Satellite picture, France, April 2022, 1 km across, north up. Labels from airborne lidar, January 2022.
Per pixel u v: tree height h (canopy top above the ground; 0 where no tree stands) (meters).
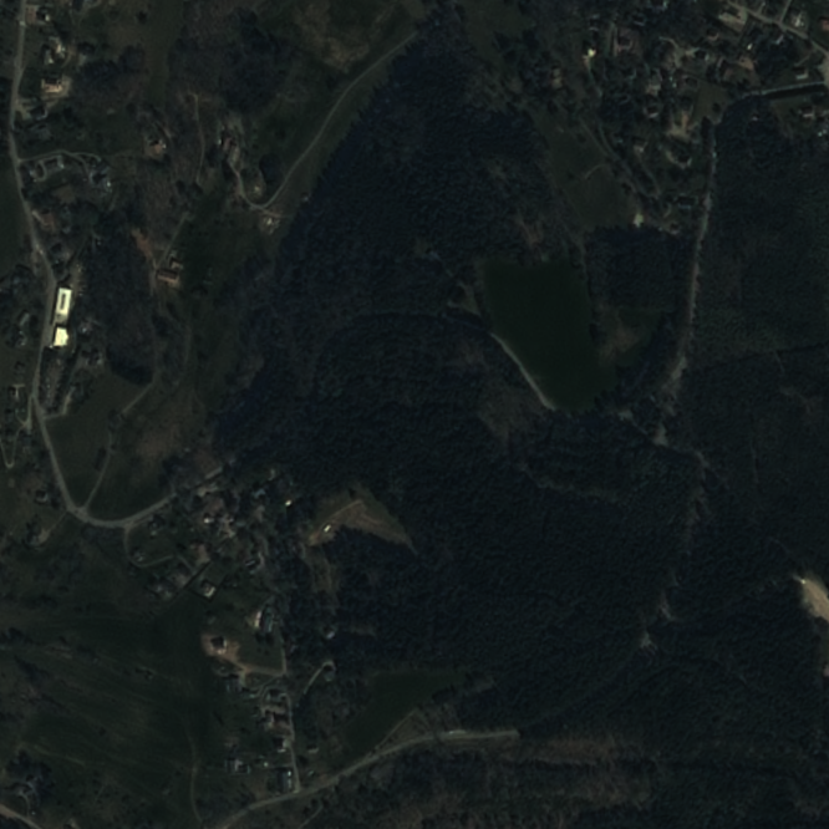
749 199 13
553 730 21
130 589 0
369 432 26
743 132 19
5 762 0
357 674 18
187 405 0
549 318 0
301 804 0
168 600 0
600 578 24
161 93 0
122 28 0
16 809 0
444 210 20
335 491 14
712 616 19
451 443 23
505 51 20
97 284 26
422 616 28
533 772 15
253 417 31
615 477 24
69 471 0
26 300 9
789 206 15
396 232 21
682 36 12
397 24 0
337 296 23
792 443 16
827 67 0
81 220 18
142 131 13
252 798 6
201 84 22
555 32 15
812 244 16
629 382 20
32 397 0
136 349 28
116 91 20
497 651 24
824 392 12
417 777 13
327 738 15
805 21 0
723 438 15
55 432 0
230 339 0
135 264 31
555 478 24
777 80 8
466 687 6
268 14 8
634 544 25
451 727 15
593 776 20
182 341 25
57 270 17
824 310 16
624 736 17
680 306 24
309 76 0
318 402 23
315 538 0
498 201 17
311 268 25
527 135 23
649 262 25
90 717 0
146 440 0
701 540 24
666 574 25
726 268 15
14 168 0
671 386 19
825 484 13
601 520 23
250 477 17
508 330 0
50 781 20
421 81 26
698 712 15
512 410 20
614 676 20
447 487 27
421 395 29
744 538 26
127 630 0
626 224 0
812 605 0
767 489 14
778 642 25
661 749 18
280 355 25
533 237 10
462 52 25
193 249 0
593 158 0
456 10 21
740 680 16
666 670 23
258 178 9
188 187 13
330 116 0
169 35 0
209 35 18
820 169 17
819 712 21
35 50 0
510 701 19
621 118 14
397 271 27
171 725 0
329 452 31
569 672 24
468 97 24
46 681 9
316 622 12
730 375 12
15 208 0
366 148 21
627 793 21
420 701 0
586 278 7
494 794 15
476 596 24
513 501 27
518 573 26
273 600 0
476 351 26
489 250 22
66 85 0
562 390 0
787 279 14
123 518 0
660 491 23
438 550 22
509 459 28
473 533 24
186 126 14
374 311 17
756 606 17
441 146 21
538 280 0
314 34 0
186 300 15
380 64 0
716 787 19
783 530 15
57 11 0
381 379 31
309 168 0
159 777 0
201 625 0
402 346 29
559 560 25
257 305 18
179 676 0
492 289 0
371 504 0
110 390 0
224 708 0
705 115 0
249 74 27
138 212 23
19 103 0
